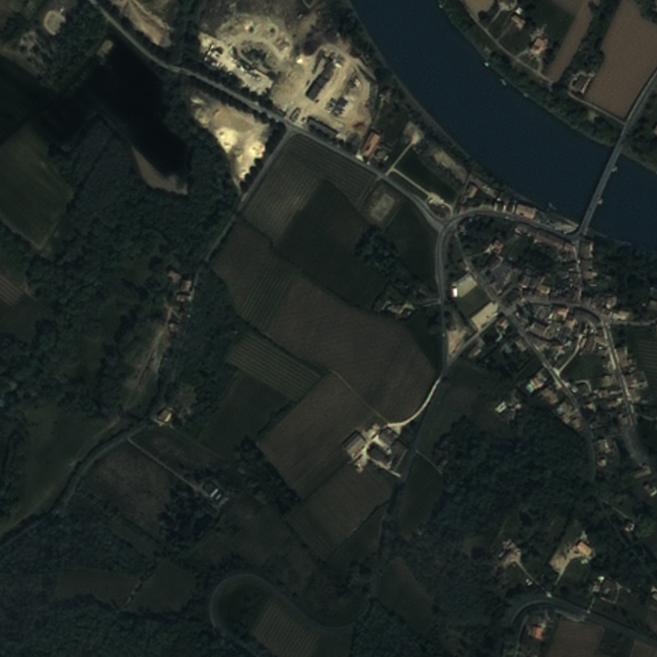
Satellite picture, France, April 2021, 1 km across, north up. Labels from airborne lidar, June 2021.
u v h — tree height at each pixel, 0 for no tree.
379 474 7
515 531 0
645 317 10
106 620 18
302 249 0
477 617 27
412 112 17
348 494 0
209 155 21
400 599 0
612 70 0
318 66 0
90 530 17
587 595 11
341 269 0
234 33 0
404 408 0
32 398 17
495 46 0
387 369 0
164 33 0
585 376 0
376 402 0
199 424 6
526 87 6
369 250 17
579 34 0
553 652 0
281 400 0
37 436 0
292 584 6
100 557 14
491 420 0
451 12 10
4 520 22
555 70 0
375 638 11
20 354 16
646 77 0
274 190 0
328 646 0
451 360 0
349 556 0
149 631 23
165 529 12
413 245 0
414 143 0
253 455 19
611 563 16
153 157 0
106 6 8
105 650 19
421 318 0
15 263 16
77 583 0
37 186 0
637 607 0
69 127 0
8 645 15
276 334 0
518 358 8
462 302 0
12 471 10
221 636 19
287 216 0
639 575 19
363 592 13
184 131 20
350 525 0
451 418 0
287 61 0
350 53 0
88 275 21
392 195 0
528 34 0
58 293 18
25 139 0
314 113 0
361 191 0
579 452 15
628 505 0
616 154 0
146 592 0
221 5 0
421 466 0
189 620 9
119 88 0
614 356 0
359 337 0
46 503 0
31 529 14
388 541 18
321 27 0
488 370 6
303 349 0
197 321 12
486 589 13
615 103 0
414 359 0
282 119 0
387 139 0
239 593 0
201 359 8
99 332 20
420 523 0
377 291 0
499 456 13
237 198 10
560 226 0
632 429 0
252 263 0
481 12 0
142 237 18
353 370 0
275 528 0
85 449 0
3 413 9
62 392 28
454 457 13
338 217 0
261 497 13
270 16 0
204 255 20
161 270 20
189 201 18
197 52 20
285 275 0
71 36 22
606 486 20
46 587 12
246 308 0
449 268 7
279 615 0
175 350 11
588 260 0
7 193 0
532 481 9
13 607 13
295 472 0
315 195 0
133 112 0
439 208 0
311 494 0
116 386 19
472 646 10
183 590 0
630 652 0
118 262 8
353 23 22
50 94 0
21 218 0
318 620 0
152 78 0
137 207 17
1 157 0
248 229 0
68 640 16
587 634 0
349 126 0
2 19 0
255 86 0
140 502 0
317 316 0
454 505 19
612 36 0
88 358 0
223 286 10
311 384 0
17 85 0
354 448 0
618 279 17
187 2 24
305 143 0
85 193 20
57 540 14
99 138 24
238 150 0
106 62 0
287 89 0
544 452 16
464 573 17
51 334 29
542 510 11
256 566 0
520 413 11
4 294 0
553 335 0
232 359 0
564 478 9
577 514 12
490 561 16
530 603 0
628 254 14
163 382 10
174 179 0
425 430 0
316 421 0
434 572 12
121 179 26
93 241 16
